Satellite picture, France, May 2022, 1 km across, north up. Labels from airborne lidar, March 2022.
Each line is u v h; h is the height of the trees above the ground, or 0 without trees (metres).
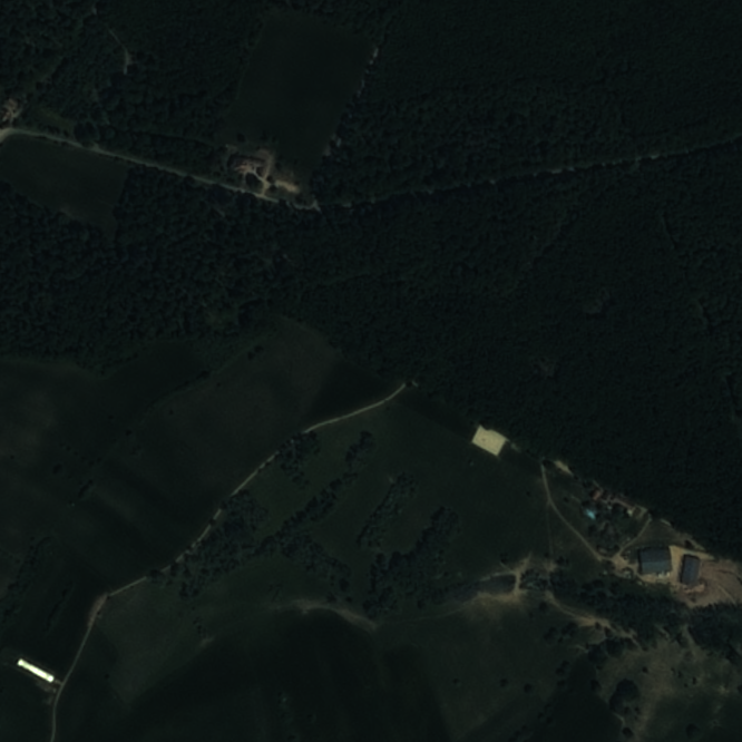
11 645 0
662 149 20
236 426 0
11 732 0
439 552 16
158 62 14
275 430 0
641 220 15
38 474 0
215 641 0
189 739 0
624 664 0
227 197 37
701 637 27
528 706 0
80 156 0
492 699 0
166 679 0
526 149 27
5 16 31
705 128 20
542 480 0
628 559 0
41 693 0
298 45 0
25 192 0
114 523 0
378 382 0
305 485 13
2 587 0
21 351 15
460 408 20
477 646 0
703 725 0
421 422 0
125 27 14
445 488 0
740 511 17
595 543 0
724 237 28
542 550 0
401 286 25
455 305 19
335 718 0
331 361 0
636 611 25
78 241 28
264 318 24
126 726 0
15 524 0
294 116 0
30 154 0
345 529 0
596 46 20
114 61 11
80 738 0
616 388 18
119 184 0
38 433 0
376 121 22
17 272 27
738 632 24
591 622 0
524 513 0
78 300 27
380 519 11
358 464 13
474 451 0
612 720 0
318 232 24
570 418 16
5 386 0
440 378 15
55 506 0
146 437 0
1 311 24
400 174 27
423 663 0
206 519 0
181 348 0
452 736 0
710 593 0
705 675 0
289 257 27
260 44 0
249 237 26
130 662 0
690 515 17
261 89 0
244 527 28
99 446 0
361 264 28
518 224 27
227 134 0
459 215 28
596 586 14
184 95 19
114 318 27
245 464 0
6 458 0
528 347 13
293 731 0
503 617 0
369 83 12
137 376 0
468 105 23
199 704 0
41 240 28
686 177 25
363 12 20
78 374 0
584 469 14
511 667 0
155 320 28
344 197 13
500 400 16
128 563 0
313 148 0
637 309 17
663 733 0
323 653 0
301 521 16
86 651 0
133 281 27
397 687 0
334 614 0
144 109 25
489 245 27
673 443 17
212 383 0
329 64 0
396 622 0
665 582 0
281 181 0
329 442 0
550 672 0
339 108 0
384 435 0
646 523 0
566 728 0
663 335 22
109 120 21
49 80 6
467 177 23
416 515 0
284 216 16
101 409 0
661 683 0
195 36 17
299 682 0
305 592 0
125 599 0
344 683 0
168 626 0
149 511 0
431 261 28
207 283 30
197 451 0
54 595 0
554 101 28
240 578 0
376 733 0
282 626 0
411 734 0
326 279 24
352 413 0
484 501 0
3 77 22
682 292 21
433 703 0
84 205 0
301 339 0
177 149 27
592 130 27
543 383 8
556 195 27
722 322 24
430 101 25
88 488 8
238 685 0
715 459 18
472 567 0
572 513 0
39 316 27
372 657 0
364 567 0
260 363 0
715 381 17
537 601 0
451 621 0
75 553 0
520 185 25
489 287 24
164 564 0
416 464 0
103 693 0
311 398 0
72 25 28
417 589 17
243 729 0
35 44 32
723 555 20
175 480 0
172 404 0
